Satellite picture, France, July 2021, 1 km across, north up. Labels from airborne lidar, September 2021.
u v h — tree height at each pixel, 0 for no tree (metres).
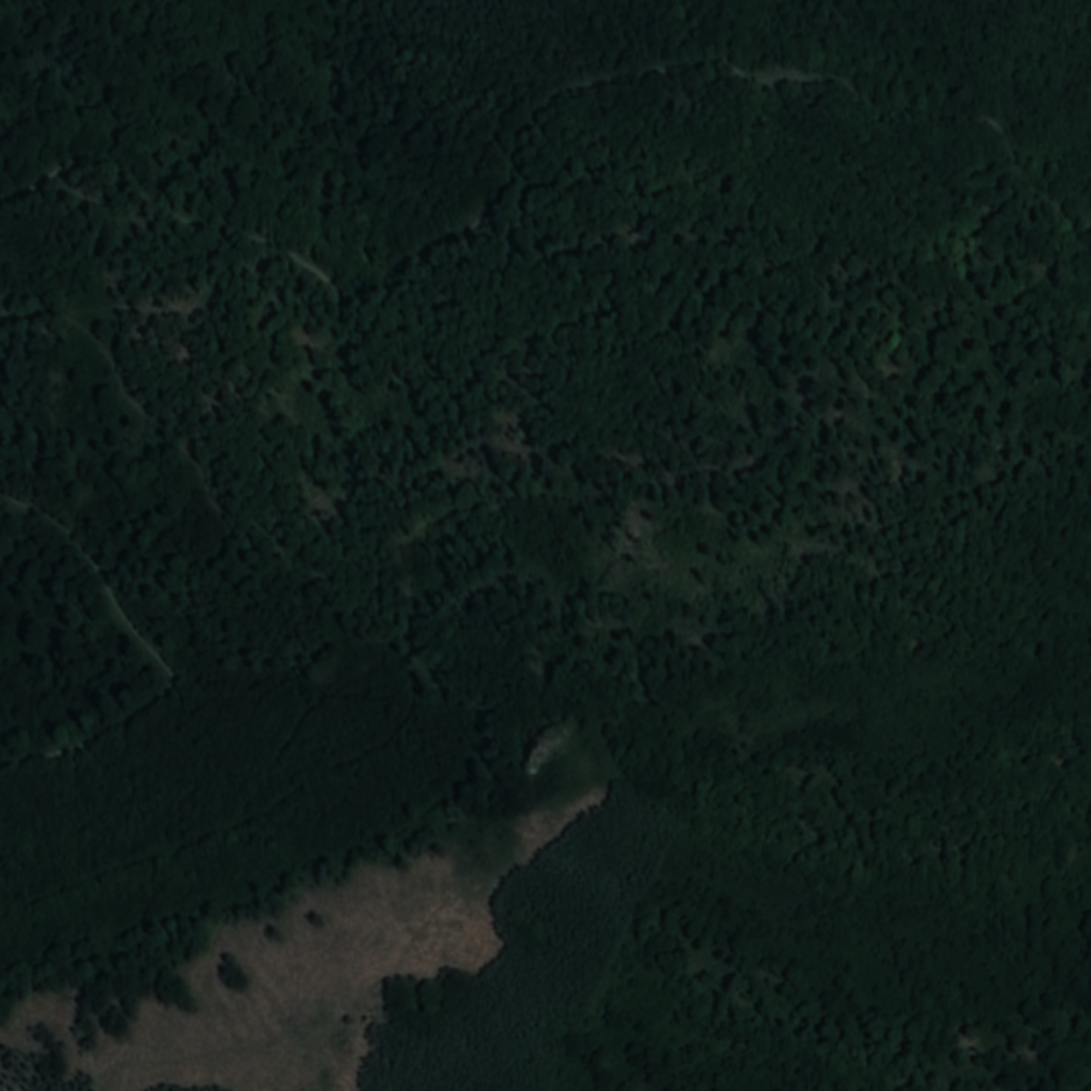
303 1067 0
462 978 23
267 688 13
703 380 30
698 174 22
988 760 26
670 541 10
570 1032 17
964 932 6
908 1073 29
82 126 26
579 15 12
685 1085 9
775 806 24
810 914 11
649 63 10
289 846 11
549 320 29
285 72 23
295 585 6
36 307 19
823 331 28
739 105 25
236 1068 0
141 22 10
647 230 30
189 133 31
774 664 16
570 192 20
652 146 23
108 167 27
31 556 19
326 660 28
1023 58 13
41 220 26
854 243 20
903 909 17
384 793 9
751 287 30
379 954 0
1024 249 15
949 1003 25
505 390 26
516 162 13
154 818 14
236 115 22
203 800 12
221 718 14
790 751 24
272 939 17
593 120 22
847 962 14
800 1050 32
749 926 13
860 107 22
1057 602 11
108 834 13
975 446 27
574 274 35
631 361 24
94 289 21
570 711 21
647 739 26
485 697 20
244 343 22
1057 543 24
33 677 9
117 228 33
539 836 0
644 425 27
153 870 8
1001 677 14
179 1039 0
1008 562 6
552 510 12
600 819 17
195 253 35
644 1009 7
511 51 13
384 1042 18
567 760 0
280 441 30
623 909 15
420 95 15
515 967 12
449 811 19
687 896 18
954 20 7
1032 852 16
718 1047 7
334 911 0
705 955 33
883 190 23
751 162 22
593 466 29
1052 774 23
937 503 26
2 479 17
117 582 24
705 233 33
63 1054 15
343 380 36
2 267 10
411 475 28
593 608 36
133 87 23
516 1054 17
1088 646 33
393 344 30
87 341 0
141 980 17
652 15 19
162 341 19
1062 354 33
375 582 25
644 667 11
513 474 31
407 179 28
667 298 29
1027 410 10
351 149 11
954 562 22
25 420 26
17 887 11
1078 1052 35
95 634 33
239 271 31
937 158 22
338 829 10
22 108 12
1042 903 10
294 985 0
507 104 21
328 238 30
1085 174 13
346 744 13
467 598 25
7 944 9
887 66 22
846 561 15
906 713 13
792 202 25
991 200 27
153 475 22
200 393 24
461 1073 15
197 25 9
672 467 28
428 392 32
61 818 12
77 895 10
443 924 0
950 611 20
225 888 11
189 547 14
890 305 26
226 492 21
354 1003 0
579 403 27
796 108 23
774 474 27
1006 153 10
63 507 14
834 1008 26
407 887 0
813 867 26
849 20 6
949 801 18
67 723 13
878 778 16
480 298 31
